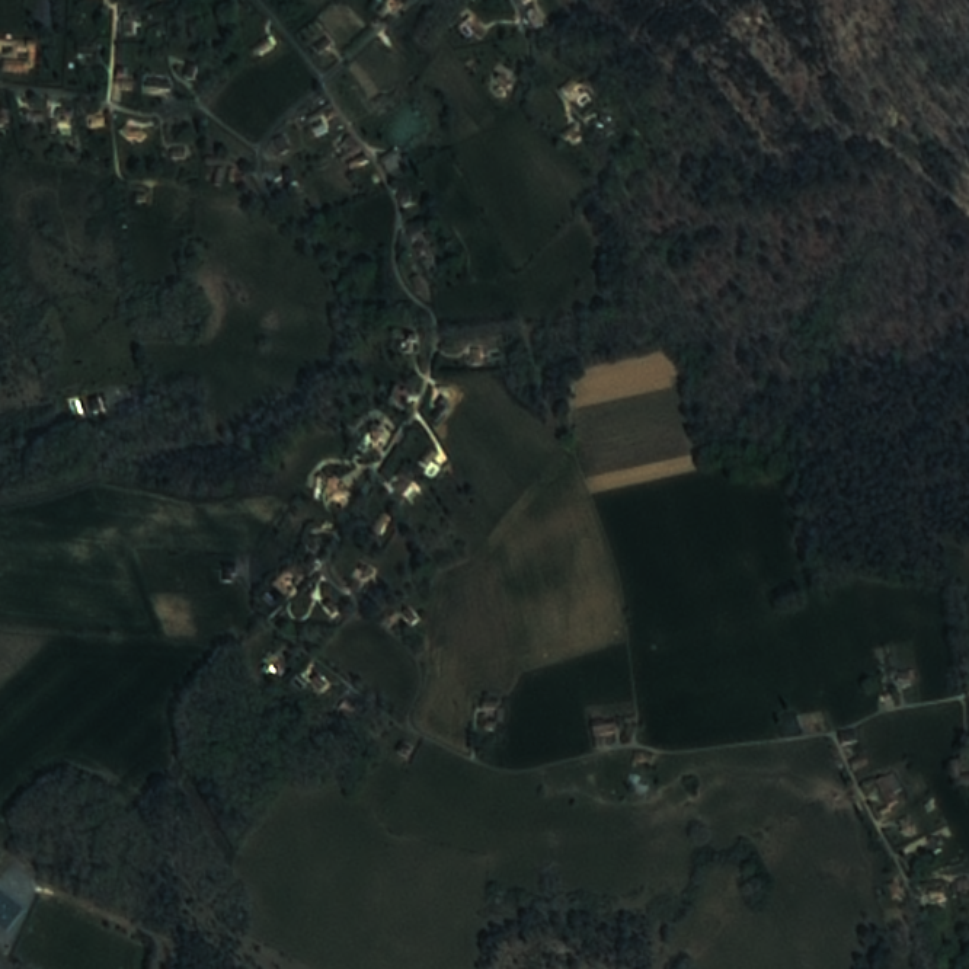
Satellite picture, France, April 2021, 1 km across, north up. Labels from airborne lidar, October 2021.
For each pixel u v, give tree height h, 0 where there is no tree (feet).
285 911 0
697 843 57
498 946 38
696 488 0
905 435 50
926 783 0
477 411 0
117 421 39
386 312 58
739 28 20
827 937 0
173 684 0
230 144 0
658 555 0
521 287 0
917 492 37
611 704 0
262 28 0
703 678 0
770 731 0
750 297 34
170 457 46
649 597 0
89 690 0
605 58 41
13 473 37
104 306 0
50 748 0
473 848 0
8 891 0
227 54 46
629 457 0
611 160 54
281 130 0
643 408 0
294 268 0
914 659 0
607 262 66
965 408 90
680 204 37
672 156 44
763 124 29
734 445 58
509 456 0
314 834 0
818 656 0
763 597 0
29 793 75
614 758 0
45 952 0
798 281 40
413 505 0
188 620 0
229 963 39
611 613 0
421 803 0
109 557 0
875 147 41
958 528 77
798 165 38
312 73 0
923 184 46
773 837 0
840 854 0
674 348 66
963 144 47
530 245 0
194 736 73
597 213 67
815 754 0
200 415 86
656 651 0
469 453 0
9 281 48
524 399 34
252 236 0
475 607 0
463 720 0
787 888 0
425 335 54
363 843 0
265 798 84
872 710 0
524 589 0
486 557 0
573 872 0
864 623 0
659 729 0
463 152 0
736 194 44
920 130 74
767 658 0
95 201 32
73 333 0
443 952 0
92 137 40
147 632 0
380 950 0
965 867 0
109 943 0
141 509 0
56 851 42
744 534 0
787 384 46
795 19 26
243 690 87
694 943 0
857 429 80
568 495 0
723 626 0
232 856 19
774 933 0
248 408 0
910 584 47
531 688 0
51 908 0
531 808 0
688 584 0
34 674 0
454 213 0
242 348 0
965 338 42
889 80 74
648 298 65
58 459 81
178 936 21
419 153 0
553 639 0
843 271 51
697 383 54
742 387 47
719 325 52
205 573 0
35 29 35
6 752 0
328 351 0
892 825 0
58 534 0
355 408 44
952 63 45
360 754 86
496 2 29
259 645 0
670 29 29
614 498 0
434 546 51
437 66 0
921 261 50
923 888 23
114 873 76
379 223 0
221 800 84
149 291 26
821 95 28
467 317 0
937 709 0
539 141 0
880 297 48
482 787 0
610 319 83
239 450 44
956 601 56
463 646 0
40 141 26
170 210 0
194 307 85
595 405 0
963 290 43
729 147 49
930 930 56
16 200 0
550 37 56
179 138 47
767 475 78
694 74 92
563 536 0
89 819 86
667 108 36
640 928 42
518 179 0
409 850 0
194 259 54
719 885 0
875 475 60
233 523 0
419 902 0
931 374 52
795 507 48
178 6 24
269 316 0
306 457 0
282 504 0
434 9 38
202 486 52
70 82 0
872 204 42
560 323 35
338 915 0
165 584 0
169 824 72
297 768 88
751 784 0
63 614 0
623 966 45
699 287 35
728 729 0
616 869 0
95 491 0
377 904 0
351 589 49
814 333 73
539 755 0
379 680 0
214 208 0
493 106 20
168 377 0
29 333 39
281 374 0
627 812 0
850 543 82
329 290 40
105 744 0
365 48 0
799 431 59
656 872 0
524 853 0
